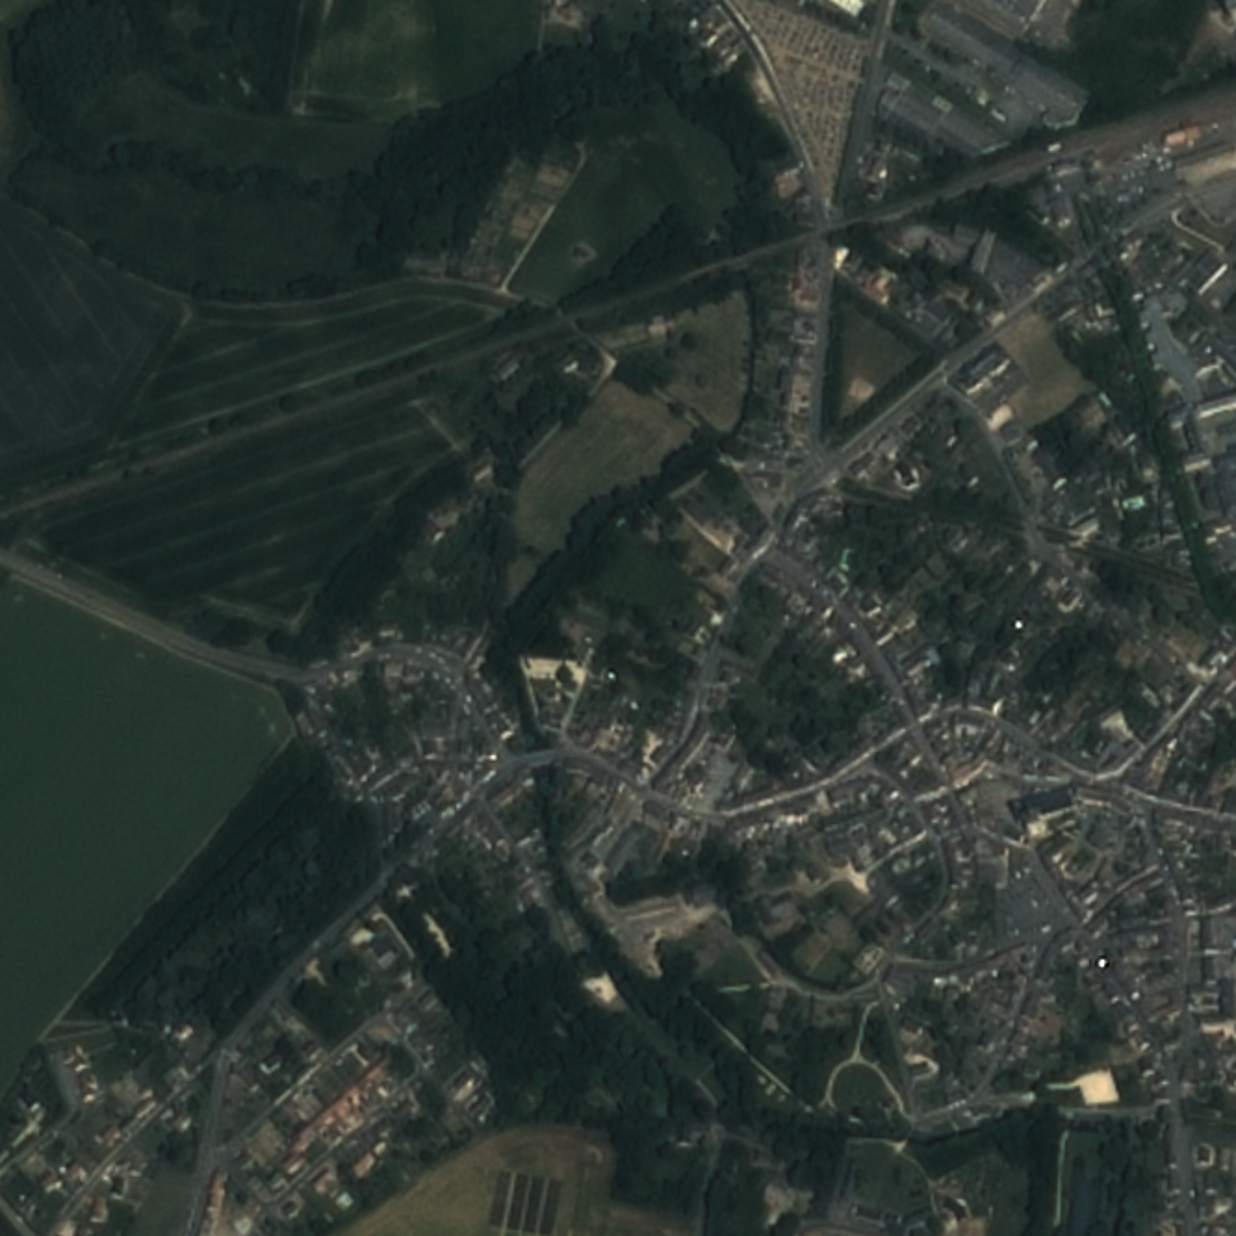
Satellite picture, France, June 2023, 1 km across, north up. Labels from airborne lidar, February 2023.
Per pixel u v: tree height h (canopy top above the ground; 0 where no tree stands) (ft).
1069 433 23
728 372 0
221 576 0
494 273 0
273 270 0
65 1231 0
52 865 0
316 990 50
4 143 0
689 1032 72
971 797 0
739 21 0
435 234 0
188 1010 41
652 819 0
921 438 23
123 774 0
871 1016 0
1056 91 0
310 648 44
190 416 0
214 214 0
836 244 41
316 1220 25
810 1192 53
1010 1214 0
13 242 0
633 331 0
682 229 69
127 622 0
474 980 66
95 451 0
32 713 0
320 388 0
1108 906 24
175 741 0
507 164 51
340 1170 26
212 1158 0
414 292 0
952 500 36
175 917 21
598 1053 52
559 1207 0
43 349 0
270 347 0
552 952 74
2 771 0
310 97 0
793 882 0
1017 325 0
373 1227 0
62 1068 0
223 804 0
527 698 54
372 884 30
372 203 57
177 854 0
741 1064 69
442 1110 24
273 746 0
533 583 0
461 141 69
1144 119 0
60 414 0
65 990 0
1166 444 30
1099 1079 0
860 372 0
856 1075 0
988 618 59
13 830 0
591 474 0
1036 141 42
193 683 0
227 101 0
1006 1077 25
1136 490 22
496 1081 43
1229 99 0
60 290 0
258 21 29
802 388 0
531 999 93
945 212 27
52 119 56
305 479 0
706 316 0
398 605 0
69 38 93
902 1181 53
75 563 0
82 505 0
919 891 53
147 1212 0
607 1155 0
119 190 0
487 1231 0
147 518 0
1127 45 0
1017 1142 84
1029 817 0
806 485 0
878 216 0
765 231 20
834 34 0
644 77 76
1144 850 0
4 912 0
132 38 88
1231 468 0
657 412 0
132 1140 0
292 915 58
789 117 0
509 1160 0
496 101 39
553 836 32
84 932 0
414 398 0
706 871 27
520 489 52
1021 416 0
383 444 0
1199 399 0
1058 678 43
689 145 0
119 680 0
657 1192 21
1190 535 27
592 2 0
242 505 0
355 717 22
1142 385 24
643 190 0
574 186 0
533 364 31
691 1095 62
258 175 45
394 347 0
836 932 0
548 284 0
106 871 0
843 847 0
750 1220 0
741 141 59
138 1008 35
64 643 0
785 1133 52
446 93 0
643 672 20
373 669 20
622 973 66
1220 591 26
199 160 0
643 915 0
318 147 0
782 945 45
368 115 0
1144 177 0
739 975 0
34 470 0
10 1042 0
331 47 0
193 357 0
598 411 0
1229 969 0
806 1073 33
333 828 41
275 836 30
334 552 0
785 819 0
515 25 0
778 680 0
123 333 0
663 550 26
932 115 0
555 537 0
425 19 0
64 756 0
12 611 0
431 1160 50
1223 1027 0
